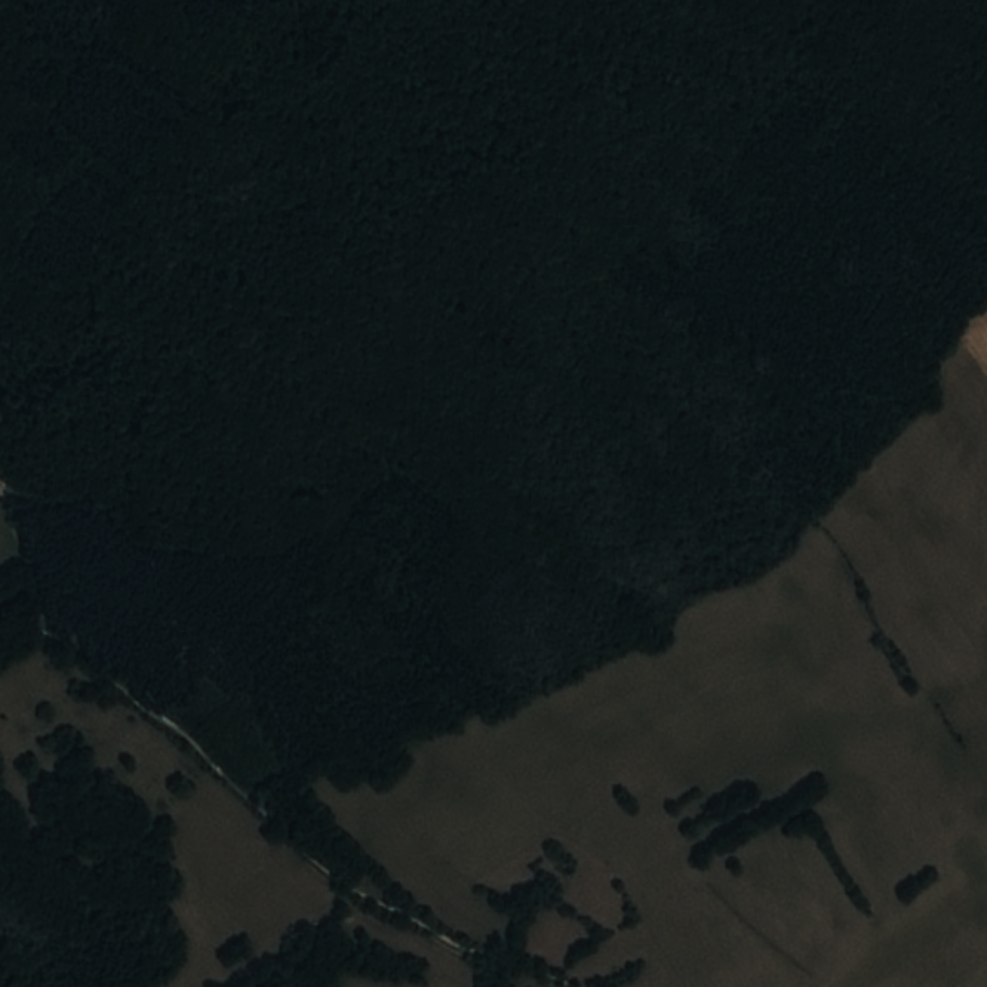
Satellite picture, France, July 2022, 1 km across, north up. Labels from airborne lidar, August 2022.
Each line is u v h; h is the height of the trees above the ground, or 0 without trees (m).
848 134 13
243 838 0
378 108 20
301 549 11
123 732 0
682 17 17
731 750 0
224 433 22
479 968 14
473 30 19
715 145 14
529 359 21
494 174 19
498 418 16
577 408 11
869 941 0
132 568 22
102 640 19
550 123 16
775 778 0
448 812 0
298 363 17
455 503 13
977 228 16
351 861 7
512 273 15
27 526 20
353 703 10
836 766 0
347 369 16
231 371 19
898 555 0
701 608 0
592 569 14
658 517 12
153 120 21
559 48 18
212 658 17
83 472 16
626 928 7
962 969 0
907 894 15
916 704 0
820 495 11
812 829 17
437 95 23
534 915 14
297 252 19
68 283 14
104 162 17
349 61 17
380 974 14
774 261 16
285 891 0
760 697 0
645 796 0
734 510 12
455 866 0
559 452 8
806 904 0
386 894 7
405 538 12
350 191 23
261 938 0
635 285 12
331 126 22
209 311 17
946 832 0
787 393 14
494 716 15
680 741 0
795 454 11
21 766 16
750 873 0
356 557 15
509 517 13
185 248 16
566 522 11
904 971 0
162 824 13
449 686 10
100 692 11
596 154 13
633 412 10
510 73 21
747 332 11
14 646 21
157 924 25
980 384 0
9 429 16
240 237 19
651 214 15
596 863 0
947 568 0
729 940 0
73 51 17
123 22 15
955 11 17
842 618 0
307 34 10
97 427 16
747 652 0
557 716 0
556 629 14
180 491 18
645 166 13
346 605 15
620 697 0
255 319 21
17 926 9
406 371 19
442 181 19
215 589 18
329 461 21
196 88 17
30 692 0
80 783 22
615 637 12
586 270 13
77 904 11
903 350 13
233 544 16
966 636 0
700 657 0
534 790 0
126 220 16
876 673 0
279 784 9
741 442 8
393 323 16
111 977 14
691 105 20
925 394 13
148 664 17
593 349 11
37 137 25
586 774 0
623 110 11
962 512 0
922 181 10
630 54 19
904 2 17
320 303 17
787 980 0
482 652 11
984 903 0
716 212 11
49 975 16
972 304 13
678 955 0
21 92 20
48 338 6
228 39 15
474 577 11
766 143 14
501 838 0
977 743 0
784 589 0
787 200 9
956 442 0
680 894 0
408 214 22
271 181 21
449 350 17
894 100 14
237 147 18
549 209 11
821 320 11
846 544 0
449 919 0
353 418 19
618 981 6
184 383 23
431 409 20
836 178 13
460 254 16
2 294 15
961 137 13
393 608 11
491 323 21
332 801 0
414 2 20
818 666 0
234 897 0
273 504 15
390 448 19
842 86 11
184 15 15
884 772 0
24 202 14
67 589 18
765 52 17
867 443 11
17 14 18
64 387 21
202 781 0
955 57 17
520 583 12
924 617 0
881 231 13
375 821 0
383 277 16
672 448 10
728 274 13
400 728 14
